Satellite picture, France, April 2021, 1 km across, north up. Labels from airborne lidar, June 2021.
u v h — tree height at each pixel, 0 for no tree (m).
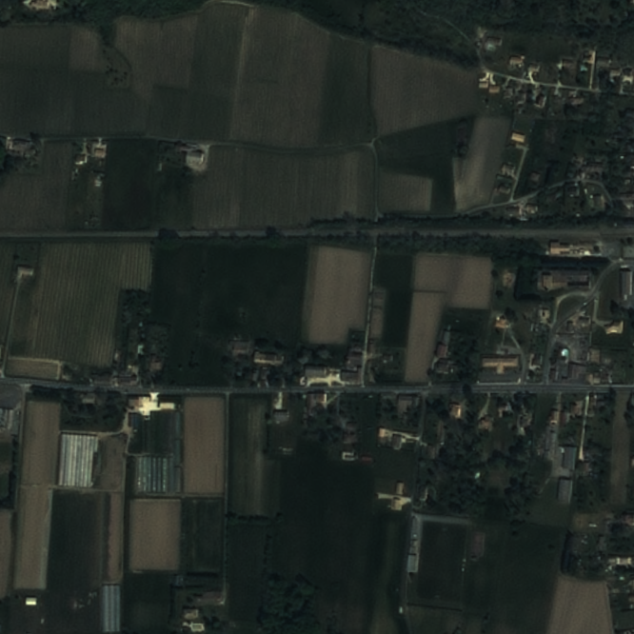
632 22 18
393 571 0
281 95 0
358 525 0
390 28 19
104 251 0
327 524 0
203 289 0
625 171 7
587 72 10
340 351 0
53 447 0
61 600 0
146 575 0
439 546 0
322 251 0
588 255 0
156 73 0
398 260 0
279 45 0
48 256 0
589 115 7
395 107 0
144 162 0
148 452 0
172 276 0
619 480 0
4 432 0
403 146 0
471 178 0
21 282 9
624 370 0
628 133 9
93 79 0
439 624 0
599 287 0
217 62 0
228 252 0
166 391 0
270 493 0
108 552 0
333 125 0
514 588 0
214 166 0
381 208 0
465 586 0
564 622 0
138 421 0
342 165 0
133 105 0
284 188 0
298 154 0
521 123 0
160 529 0
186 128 0
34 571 0
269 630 27
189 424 0
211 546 0
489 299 0
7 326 0
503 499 0
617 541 6
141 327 6
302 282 0
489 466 12
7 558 0
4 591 0
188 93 0
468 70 19
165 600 0
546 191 7
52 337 0
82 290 0
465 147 10
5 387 0
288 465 0
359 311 0
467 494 11
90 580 0
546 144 0
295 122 0
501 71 0
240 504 0
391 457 0
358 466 0
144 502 0
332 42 0
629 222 0
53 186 0
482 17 18
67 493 0
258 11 0
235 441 0
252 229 0
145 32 0
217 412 0
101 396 18
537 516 0
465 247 8
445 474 21
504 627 0
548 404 0
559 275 0
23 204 0
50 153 0
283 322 0
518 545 0
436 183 0
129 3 10
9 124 0
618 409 0
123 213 0
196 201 0
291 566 0
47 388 5
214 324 0
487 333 0
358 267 0
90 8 11
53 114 0
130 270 0
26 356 0
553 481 0
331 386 0
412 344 0
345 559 0
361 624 0
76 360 0
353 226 19
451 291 0
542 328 7
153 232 0
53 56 0
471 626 0
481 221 7
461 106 0
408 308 0
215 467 0
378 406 6
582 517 0
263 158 0
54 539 0
